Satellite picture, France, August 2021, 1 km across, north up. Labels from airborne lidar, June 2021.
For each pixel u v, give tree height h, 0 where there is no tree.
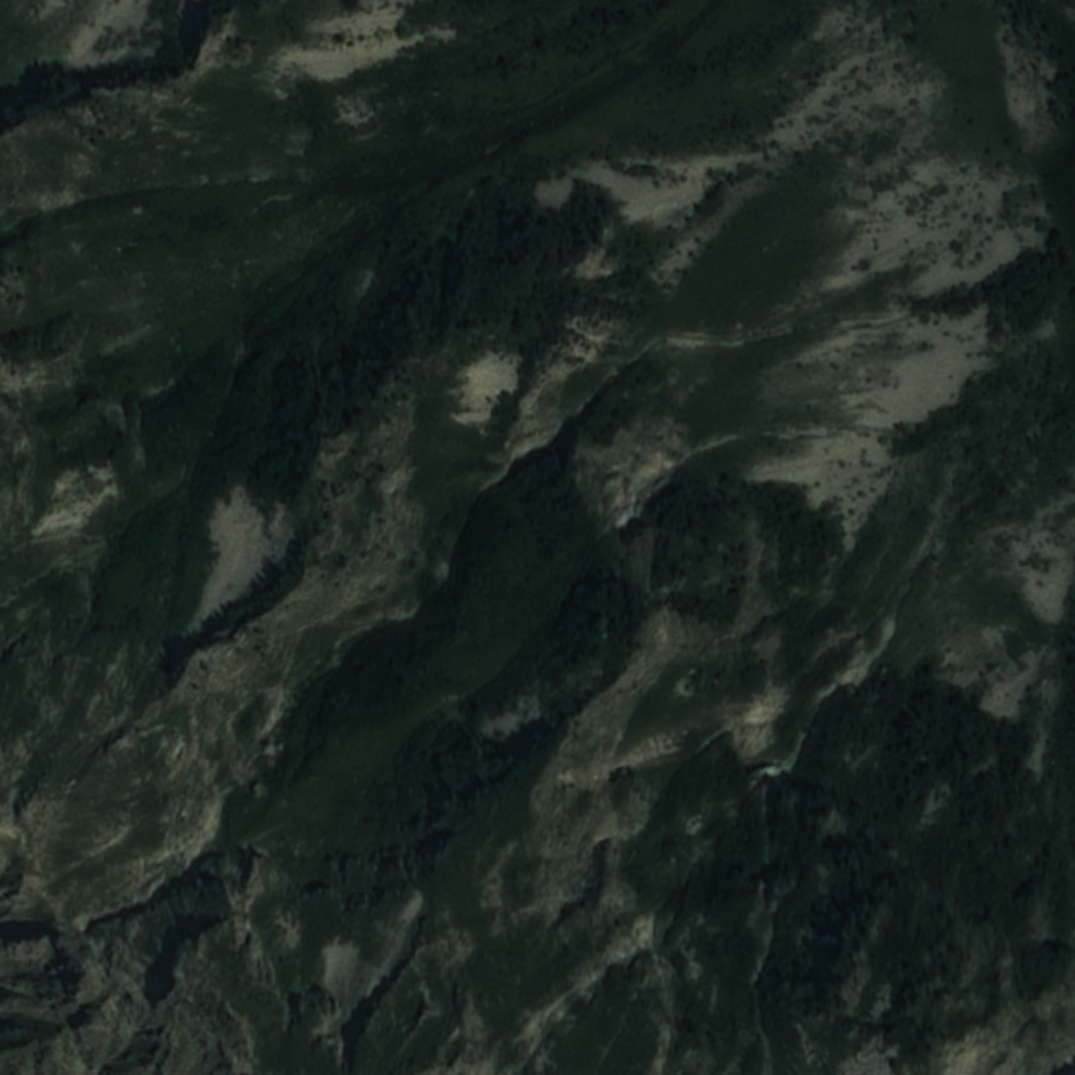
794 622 7
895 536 0
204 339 0
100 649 0
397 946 0
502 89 0
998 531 0
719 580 0
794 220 0
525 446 0
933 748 11
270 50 0
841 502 0
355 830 0
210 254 0
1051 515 0
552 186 0
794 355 0
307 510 0
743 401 0
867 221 0
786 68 0
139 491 0
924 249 0
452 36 0
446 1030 0
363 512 0
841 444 0
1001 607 0
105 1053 0
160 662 0
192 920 0
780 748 0
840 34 0
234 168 0
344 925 0
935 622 0
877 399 0
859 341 0
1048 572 0
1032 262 12
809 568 7
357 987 0
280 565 0
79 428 0
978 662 0
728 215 0
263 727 0
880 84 0
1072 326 0
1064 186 0
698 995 0
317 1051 0
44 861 0
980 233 0
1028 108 0
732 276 0
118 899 0
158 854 0
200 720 0
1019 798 6
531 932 0
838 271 0
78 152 0
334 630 0
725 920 0
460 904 0
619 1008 0
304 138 0
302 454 12
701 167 0
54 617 0
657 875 0
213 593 0
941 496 0
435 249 7
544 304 9
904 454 7
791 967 8
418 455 0
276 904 0
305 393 7
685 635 0
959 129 0
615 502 0
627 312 8
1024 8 11
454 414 0
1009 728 6
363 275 0
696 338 0
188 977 0
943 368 0
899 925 7
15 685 0
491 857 0
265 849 0
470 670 0
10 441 0
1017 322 7
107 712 0
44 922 0
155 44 0
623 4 8
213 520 0
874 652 0
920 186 0
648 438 0
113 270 0
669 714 0
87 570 0
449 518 8
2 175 0
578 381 0
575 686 0
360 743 0
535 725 0
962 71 0
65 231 0
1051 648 0
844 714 6
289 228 0
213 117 0
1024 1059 0
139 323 0
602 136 0
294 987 0
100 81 9
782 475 0
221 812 0
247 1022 0
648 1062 0
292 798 0
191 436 0
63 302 0
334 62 0
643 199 0
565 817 0
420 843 0
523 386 8
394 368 6
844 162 0
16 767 0
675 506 8
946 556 0
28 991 0
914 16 7
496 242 6
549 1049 0
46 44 0
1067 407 6
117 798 0
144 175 0
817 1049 0
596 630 7
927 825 0
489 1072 0
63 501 0
